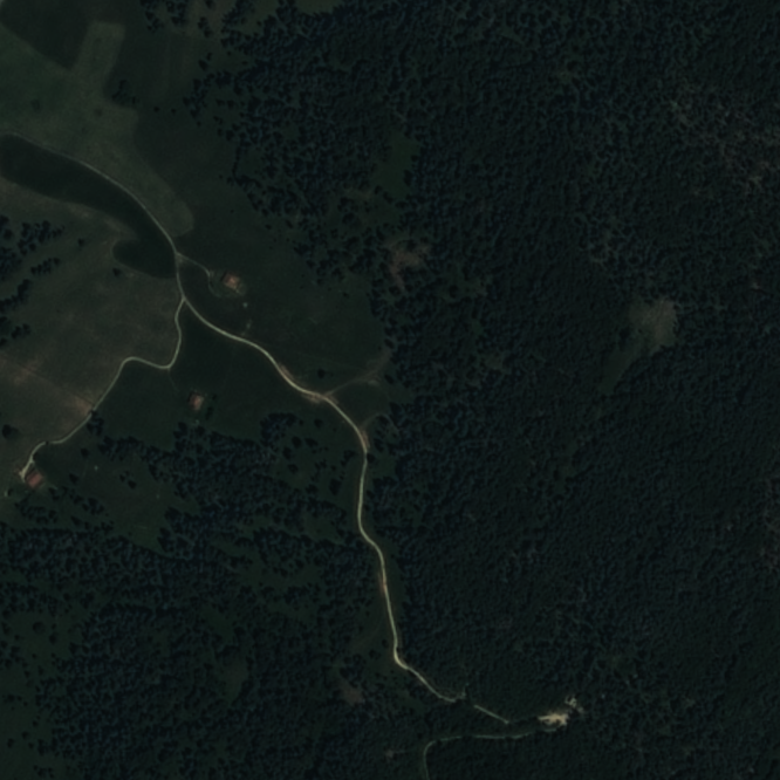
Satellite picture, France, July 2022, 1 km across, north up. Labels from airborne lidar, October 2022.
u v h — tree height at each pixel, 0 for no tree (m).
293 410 0
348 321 0
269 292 0
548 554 21
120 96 11
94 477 0
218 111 0
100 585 19
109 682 16
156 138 0
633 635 32
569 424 21
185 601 7
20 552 24
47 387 0
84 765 11
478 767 24
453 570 15
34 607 21
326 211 22
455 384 7
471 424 20
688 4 12
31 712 0
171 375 0
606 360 20
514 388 26
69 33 0
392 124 14
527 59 21
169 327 0
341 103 16
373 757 20
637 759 21
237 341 0
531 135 17
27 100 0
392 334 24
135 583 14
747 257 23
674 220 16
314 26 25
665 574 26
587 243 18
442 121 16
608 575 30
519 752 23
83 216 0
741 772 14
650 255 17
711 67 15
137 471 0
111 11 0
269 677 22
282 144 26
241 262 0
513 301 24
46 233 15
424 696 25
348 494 0
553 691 18
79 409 0
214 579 19
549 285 20
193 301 0
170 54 0
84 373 0
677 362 28
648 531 22
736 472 24
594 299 20
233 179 10
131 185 0
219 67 0
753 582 23
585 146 20
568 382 23
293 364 0
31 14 0
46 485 0
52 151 0
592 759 18
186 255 0
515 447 17
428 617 24
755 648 26
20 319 0
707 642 19
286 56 21
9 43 0
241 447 22
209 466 26
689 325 27
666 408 27
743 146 19
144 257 0
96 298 0
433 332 19
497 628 18
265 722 26
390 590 0
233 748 18
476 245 15
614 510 24
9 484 0
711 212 22
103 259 0
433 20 21
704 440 23
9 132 0
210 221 0
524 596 24
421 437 25
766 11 20
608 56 14
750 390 30
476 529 16
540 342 25
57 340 0
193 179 0
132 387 0
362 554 25
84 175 0
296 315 0
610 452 25
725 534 16
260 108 22
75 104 0
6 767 0
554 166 17
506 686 15
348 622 14
